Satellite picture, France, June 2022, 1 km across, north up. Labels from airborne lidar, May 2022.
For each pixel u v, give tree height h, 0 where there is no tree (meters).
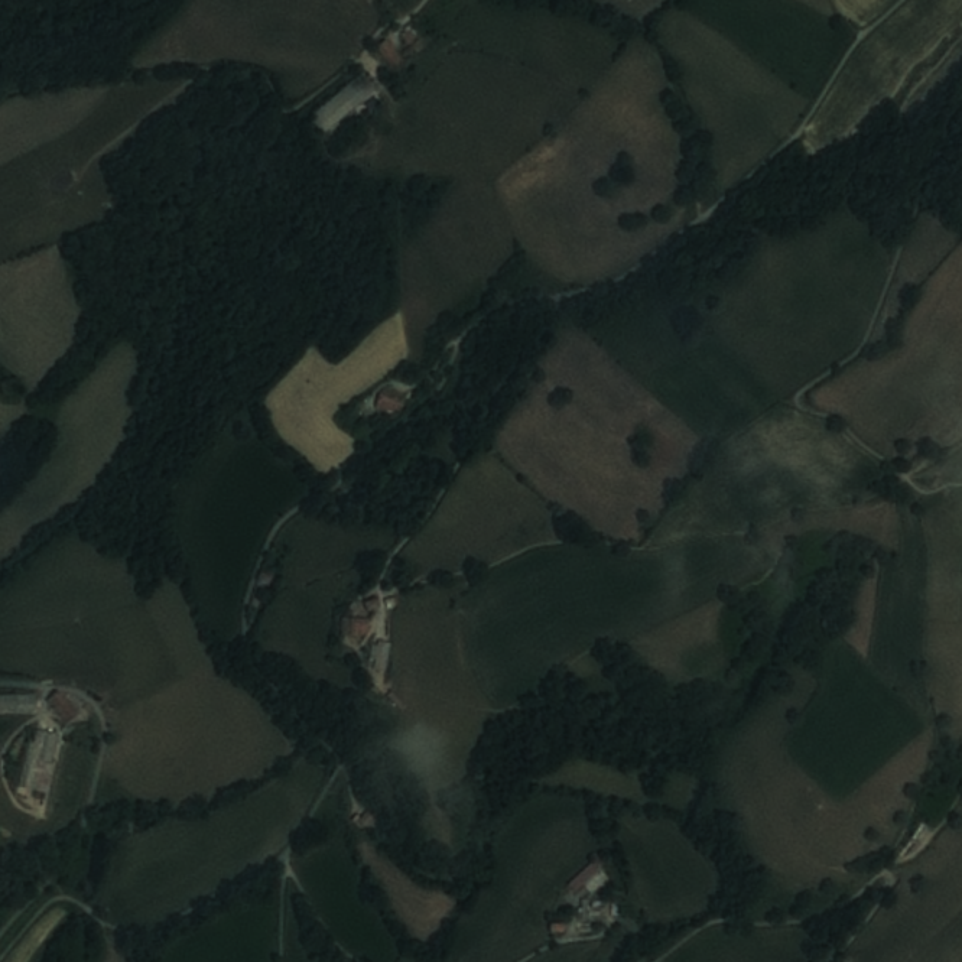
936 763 12
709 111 0
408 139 0
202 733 0
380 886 16
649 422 0
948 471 0
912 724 0
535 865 0
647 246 0
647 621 0
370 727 26
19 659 0
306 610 0
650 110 0
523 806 6
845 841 0
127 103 0
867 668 0
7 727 0
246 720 0
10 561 7
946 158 30
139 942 28
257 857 0
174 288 21
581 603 0
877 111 14
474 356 16
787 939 0
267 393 9
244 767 0
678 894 0
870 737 0
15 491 17
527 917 0
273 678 23
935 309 0
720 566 0
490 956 0
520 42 0
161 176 30
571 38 0
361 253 21
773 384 0
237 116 24
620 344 0
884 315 0
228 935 0
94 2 14
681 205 14
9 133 0
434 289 0
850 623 22
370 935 0
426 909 0
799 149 11
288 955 0
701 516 0
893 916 0
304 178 21
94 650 0
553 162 0
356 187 16
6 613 0
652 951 15
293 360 17
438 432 18
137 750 0
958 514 0
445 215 0
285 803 0
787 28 0
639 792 0
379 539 0
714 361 0
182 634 0
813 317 0
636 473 0
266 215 19
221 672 14
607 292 17
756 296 0
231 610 0
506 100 0
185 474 17
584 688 17
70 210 0
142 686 0
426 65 0
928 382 0
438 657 0
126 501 16
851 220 0
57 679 0
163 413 15
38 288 0
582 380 0
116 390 0
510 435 0
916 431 0
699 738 22
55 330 0
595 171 0
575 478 0
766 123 0
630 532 0
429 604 0
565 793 6
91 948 8
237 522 0
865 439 0
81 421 0
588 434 0
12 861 24
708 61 0
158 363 16
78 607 0
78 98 0
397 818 21
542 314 17
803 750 0
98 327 15
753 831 0
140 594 9
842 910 14
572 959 0
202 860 0
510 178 0
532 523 0
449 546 0
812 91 0
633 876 9
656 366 0
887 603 0
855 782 0
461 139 0
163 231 23
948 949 0
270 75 8
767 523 0
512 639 0
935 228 0
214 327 16
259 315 18
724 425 0
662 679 17
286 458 24
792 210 24
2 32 23
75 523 10
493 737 19
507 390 19
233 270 21
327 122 0
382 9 11
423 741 0
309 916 20
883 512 0
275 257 28
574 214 0
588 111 0
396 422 7
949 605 0
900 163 25
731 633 0
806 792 0
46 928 0
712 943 0
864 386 0
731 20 0
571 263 0
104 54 30
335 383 0
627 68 0
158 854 0
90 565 0
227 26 0
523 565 0
